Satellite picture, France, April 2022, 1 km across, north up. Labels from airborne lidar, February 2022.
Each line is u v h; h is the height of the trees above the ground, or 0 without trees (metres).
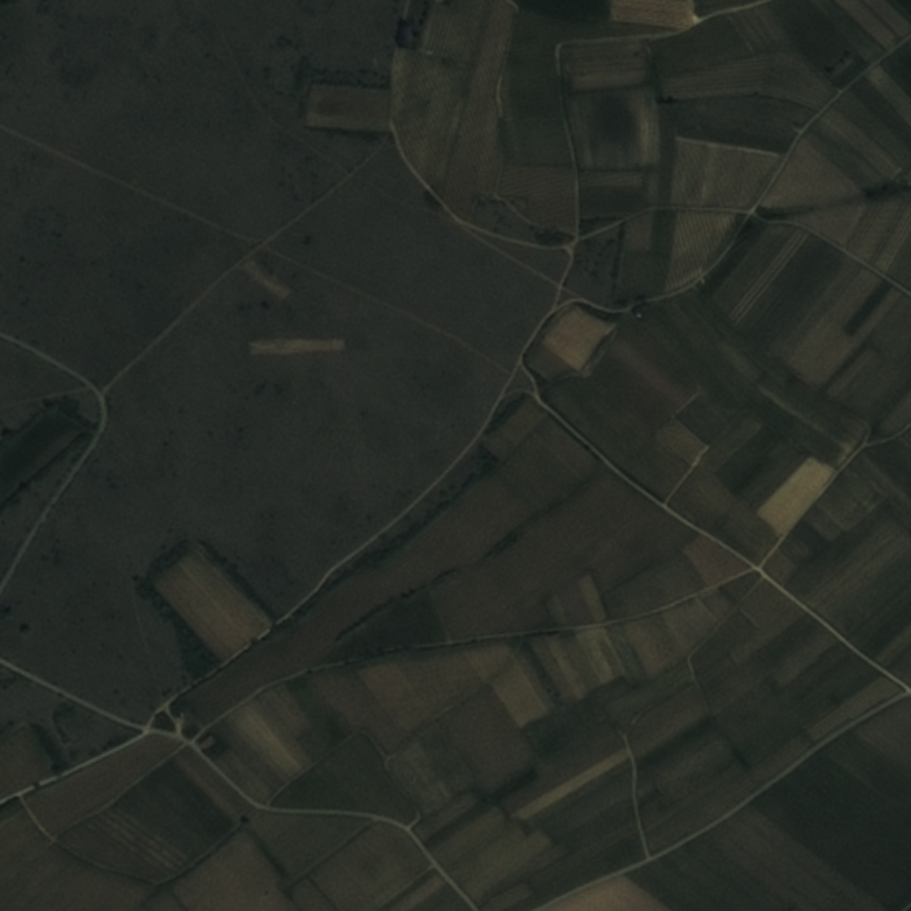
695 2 0
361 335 0
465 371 0
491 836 0
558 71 0
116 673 0
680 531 0
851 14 0
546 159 0
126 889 0
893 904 0
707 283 0
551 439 0
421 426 0
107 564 0
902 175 0
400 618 0
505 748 0
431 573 0
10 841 0
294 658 0
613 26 0
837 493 0
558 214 0
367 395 0
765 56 0
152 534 0
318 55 0
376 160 0
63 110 0
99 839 0
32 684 0
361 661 7
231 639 0
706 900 0
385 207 0
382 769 0
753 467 0
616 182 0
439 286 0
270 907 0
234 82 0
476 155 0
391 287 0
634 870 0
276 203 0
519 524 0
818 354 0
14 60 0
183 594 0
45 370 0
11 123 0
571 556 0
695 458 0
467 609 0
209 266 0
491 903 0
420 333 0
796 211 0
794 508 0
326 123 0
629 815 0
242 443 0
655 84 0
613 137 0
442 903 0
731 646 0
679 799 0
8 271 0
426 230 0
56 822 0
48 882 0
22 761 0
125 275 0
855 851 0
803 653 0
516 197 0
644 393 0
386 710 0
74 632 0
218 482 0
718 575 0
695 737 0
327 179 0
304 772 0
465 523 0
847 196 0
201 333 0
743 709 0
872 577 0
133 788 0
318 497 0
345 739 0
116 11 0
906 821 0
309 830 0
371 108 0
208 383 0
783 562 0
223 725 0
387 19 0
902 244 0
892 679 0
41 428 0
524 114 0
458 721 0
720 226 0
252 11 0
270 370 0
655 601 0
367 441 0
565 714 0
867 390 0
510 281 0
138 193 0
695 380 0
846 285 0
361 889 0
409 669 0
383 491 0
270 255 0
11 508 0
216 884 0
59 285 0
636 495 0
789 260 0
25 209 0
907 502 0
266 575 0
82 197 0
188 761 0
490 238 0
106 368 0
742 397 0
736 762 0
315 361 0
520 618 0
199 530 0
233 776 0
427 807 0
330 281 0
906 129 0
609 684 0
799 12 0
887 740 0
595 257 0
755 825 0
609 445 0
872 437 0
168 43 0
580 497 0
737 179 0
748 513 0
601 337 0
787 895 0
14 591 0
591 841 0
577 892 0
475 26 0
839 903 0
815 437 0
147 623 0
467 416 0
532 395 0
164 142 0
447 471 0
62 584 0
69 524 0
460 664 0
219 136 0
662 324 0
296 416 0
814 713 0
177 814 0
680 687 0
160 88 0
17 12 0
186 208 0
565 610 0
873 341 0
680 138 0
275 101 0
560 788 0
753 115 0
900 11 0
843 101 0
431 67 0
